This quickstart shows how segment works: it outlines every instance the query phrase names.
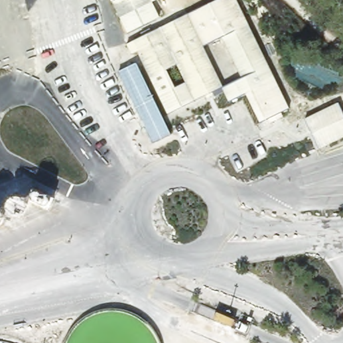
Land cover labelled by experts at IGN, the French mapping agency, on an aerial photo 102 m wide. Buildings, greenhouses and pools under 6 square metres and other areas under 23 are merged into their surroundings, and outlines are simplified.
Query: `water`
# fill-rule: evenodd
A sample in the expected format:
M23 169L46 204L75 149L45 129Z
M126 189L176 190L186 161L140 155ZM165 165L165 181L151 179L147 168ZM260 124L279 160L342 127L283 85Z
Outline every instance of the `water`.
M71 324L63 343L155 343L153 336L146 330L146 322L138 316L121 310L103 310L88 315L75 326Z

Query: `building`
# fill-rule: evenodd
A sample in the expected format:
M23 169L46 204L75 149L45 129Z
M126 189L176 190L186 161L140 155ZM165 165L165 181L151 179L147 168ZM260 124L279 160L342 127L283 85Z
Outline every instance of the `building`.
M118 79L123 80L137 106L147 135L155 142L165 138L170 131L159 114L137 64L131 64L123 68Z
M131 33L184 9L177 0L111 0L118 16L121 17L123 29Z
M224 40L238 68L237 74L240 74L240 79L226 86L218 80L204 50L205 44L218 36ZM251 102L257 119L263 125L277 121L281 113L287 110L287 103L236 0L214 0L129 44L111 47L111 62L119 66L126 60L139 56L169 119L188 117L193 109L204 106L213 98L220 109L233 106L234 98L245 95Z
M334 105L308 117L310 129L314 131L310 139L314 145L316 143L319 147L324 147L343 137L343 113L339 105Z
M46 194L32 192L27 197L9 197L3 208L0 208L0 229L23 228L28 218L28 210L39 212L40 208L51 208L51 201Z

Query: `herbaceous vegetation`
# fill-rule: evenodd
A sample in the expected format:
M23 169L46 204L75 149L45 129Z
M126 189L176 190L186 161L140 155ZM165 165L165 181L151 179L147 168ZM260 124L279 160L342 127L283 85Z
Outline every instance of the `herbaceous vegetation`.
M312 300L314 295L308 295L303 285L297 285L295 277L284 279L287 271L284 268L275 271L275 260L256 261L256 268L251 273L265 284L285 293L305 315L310 316L318 326L322 326L323 330L339 330L342 327L334 318L326 316L328 308L312 310L316 305L316 301Z
M208 224L208 206L205 201L193 190L185 189L170 196L162 196L167 221L176 229L177 236L173 241L182 244L196 240Z
M295 256L299 267L303 267L307 272L316 273L316 283L324 288L331 284L334 288L342 289L326 261L304 255Z

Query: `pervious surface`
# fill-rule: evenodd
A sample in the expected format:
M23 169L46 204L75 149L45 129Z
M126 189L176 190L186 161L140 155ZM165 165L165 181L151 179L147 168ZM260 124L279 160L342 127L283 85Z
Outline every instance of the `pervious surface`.
M251 167L236 171L226 158L221 158L221 165L228 171L229 176L237 180L251 181L253 178Z

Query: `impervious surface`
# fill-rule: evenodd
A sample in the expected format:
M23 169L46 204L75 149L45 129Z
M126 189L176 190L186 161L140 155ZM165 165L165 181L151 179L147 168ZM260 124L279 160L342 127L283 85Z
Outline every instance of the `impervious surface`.
M259 0L236 0L287 103L287 110L281 113L277 121L263 125L257 119L251 102L245 95L234 98L233 106L220 109L213 98L204 106L193 109L188 117L169 119L139 56L126 60L119 66L111 62L111 47L129 44L214 0L177 0L184 9L131 33L123 29L121 17L118 16L111 0L0 0L0 208L3 208L9 197L27 197L32 192L46 194L51 201L51 208L40 208L39 212L28 210L28 218L23 228L0 229L0 343L63 343L71 324L75 326L88 315L103 310L121 310L138 316L146 322L146 330L153 336L155 343L293 343L289 336L281 336L277 332L261 328L261 322L269 314L275 322L280 322L281 315L289 314L289 328L300 328L299 338L303 343L343 343L343 327L342 327L339 330L323 330L322 326L318 326L310 316L305 315L285 293L265 284L251 273L256 268L256 261L275 260L281 256L295 256L304 255L326 261L342 289L343 289L343 137L324 147L319 147L316 143L314 145L310 154L301 154L295 161L285 163L275 171L268 171L265 176L253 178L251 181L237 180L229 176L228 171L221 165L221 158L226 158L236 171L251 167L267 155L269 147L283 147L289 143L303 141L305 138L310 139L314 131L310 129L308 117L334 105L339 105L343 113L343 92L335 92L314 100L304 98L288 83L283 68L277 52L273 42L275 38L265 35L260 27L259 21L263 13L267 12L267 8L259 3ZM137 64L159 114L170 131L165 138L155 142L147 135L137 106L123 80L118 79L123 68L131 64ZM173 241L177 236L176 229L167 221L162 196L170 196L185 189L193 190L205 201L208 206L208 224L196 240L182 244Z
M308 87L323 87L324 84L343 82L343 76L320 64L296 64L293 67L297 78L304 80Z
M224 40L218 36L205 44L204 50L218 80L226 86L240 79L240 74L237 74L238 68Z

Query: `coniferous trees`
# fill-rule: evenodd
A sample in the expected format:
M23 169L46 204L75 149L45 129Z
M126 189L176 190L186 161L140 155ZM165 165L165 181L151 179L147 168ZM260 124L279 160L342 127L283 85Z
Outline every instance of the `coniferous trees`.
M310 13L308 21L312 27L319 29L324 36L322 39L308 42L304 47L301 44L284 44L277 52L283 68L293 67L296 64L320 64L343 76L343 0L297 0L304 11Z

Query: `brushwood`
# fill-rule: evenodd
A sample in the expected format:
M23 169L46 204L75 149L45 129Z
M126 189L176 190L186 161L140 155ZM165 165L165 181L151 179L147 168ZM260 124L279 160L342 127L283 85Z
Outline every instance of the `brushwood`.
M304 47L308 42L322 39L324 36L319 29L312 27L308 21L310 13L304 11L297 0L259 0L259 3L267 8L267 12L263 13L259 21L260 27L265 35L275 38L273 42L277 52L284 44L301 44Z
M303 267L299 267L295 256L281 256L275 260L275 271L284 268L287 271L284 279L295 277L297 285L303 285L308 295L314 295L312 300L316 301L316 305L312 310L328 308L326 316L334 318L342 327L343 327L343 289L342 289L334 288L331 284L324 288L316 283L316 273L307 272Z
M343 92L343 82L324 84L323 87L308 87L304 80L297 78L293 67L283 68L288 83L304 98L314 100L335 92Z
M281 315L280 322L275 322L269 314L261 322L261 328L277 332L281 336L289 336L293 343L303 343L299 338L300 328L289 328L289 314Z
M267 155L251 167L253 178L265 176L268 171L275 171L285 163L295 161L301 154L310 154L314 145L310 139L305 138L303 141L289 143L283 147L269 147Z

